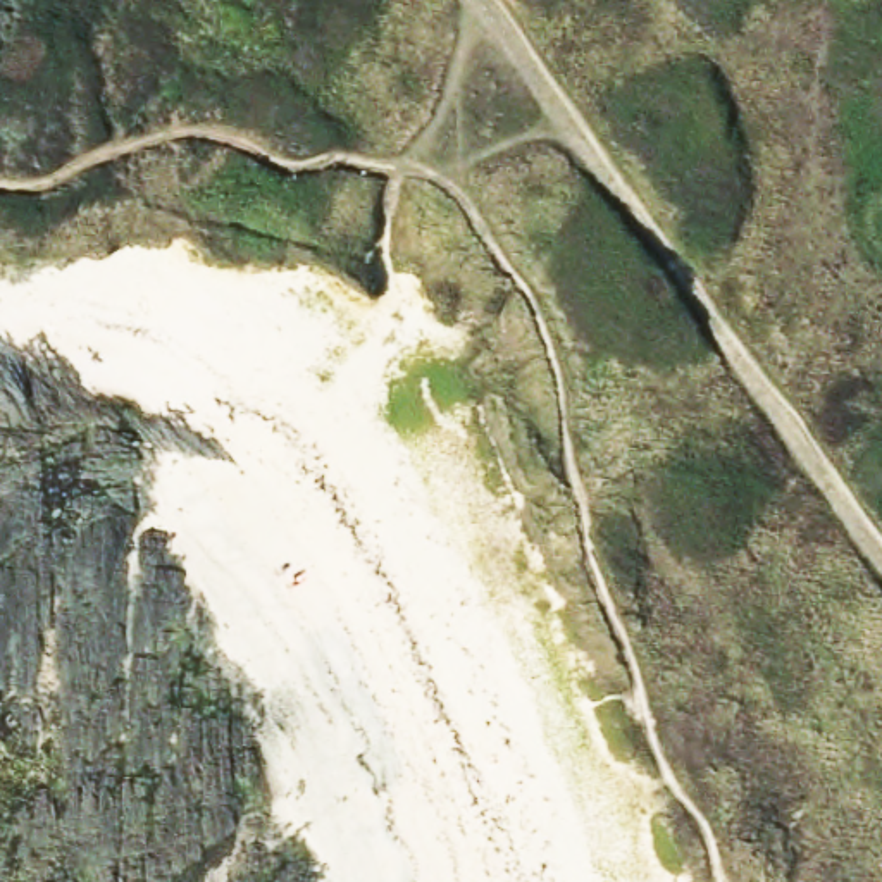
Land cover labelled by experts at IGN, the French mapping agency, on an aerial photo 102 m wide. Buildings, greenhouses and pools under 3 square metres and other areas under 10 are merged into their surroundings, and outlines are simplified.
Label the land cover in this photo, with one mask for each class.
<instances>
[{"label":"bare soil","instance_id":"1","mask_svg":"<svg viewBox=\"0 0 882 882\"><path fill-rule=\"evenodd\" d=\"M382 34L376 59L365 62V55L351 48L348 62L341 65L345 107L348 117L362 127V141L351 152L372 158H407L413 145L424 138V127H413L410 145H396L382 121L389 114H400L410 124L417 107L434 114L444 100L451 59L462 38V0H389L386 14L379 17ZM517 24L534 41L537 55L589 124L596 121L593 100L606 86H624L627 76H637L658 62L682 55H710L727 72L748 131V145L755 148V207L748 214L741 241L730 252L703 255L699 248H689L679 238L668 252L689 265L693 286L706 283L727 324L748 345L751 358L810 424L823 410V389L837 382V376H861L865 369L882 365V272L861 262L851 241L844 196L851 141L841 138V131L834 127L841 114L827 103L820 90L834 41V14L823 7H792L768 14L765 7H751L744 28L734 38H717L699 21L686 17L675 0H520L513 7ZM544 117L541 103L531 96L517 69L503 62L500 48L493 41H479L472 48L469 72L462 83V103L448 110V121L438 131L431 152L434 165L465 158L472 148L534 127ZM34 131V121L0 124V176H21V141ZM234 148L227 141L210 138H172L165 145H148L124 155L127 172L117 176V183L124 186V196L117 203L79 207L65 224L34 238L17 234L14 227L0 231V882H672V872L658 861L651 841V817L665 810V803L651 789V775L662 772L648 748L644 727L624 703H610L599 710L593 706V699L603 693L630 696L634 679L624 655V641L610 624L603 599L596 596L593 572L586 565V531L565 472V448L575 444V465L589 496L593 520L599 513L637 517L651 558L644 593L610 586L620 617L641 624L634 630V648L644 672L648 706L655 713L658 737L665 744L672 772L713 823L727 882H882V572L851 537L844 520L834 513L823 489L799 465L779 493H772L761 524L751 531L748 544L737 555L703 562L696 568L689 558H675L672 548L662 541L651 496L662 486V472L655 465L668 455V448L682 441L686 427H717L720 420L755 424L765 413L734 372L720 341L713 338V327L699 334L710 358L699 365H675L672 372H658L651 365H627L620 358L582 362L589 345L575 338L572 348H565V334H555L562 372L551 369L534 300L513 286V276L496 262L482 234L475 231L469 210L455 200L448 186L427 176H407L400 189V207L389 214L386 172L331 165L345 183L334 193L331 217L324 224L307 227V241H300V252H286V262L279 269H214L203 265L207 252L200 245L186 241L189 231L200 224L203 210L186 207L183 196L196 186H207L214 172L224 169ZM413 351H434L441 358H451L458 365L465 403L441 410V403L431 393V379H424L420 400L434 427L427 434H410L403 441L386 424V389L389 379H400V362ZM500 169H513L524 183L520 196L558 200L568 210L575 207L582 189L603 200L610 196V189L565 141H524L510 152L479 162L475 172L496 176ZM620 176L644 203L658 196L651 179L644 176V162L630 148L610 141L606 148Z\"/></svg>","mask_w":882,"mask_h":882},{"label":"herbaceous vegetation","instance_id":"2","mask_svg":"<svg viewBox=\"0 0 882 882\"><path fill-rule=\"evenodd\" d=\"M389 0H0V124L34 121V131L21 141V176L55 172L79 152L100 148L114 138H134L152 127H165L169 121L231 124L276 141L293 158L338 148L351 152L362 141V127L348 117L345 107L341 65L348 62L351 48L365 55V62L376 59L382 34L379 17L386 14ZM686 17L699 21L717 38H734L744 28L751 7H765L768 14L792 7H823L834 14V41L820 90L827 103L841 114L834 127L841 131V138L851 141L844 196L851 241L861 262L882 272V0H675ZM596 121L589 124L599 145L606 148L610 141L630 148L644 162V176L651 179L658 196L679 207V238L689 248H699L703 255L730 252L741 241L748 214L755 207V148L748 145V131L727 72L710 55H682L658 62L637 76H627L624 86H606L593 100ZM345 183L331 165L283 169L255 152L234 148L224 169L214 172L207 186H196L183 196L186 207L203 210L200 224L189 231L186 241L200 245L207 252L203 265L214 269H279L286 262V252H300V241H307V227L324 224L331 217L334 193ZM127 172L124 155L100 162L52 189H0V231L14 227L17 234L34 238L65 224L79 207L117 203L124 196V186L117 183V176ZM527 245L548 269V279L558 293V303L575 338L589 345L582 362L620 358L627 365H651L658 372H672L675 365H699L710 358L699 334L689 314L679 307L662 269L637 248V241L620 227V221L603 207V200L582 189L575 207L568 210L558 231H527ZM424 379H431V393L441 403V410L465 403L458 365L451 358H441L434 351H413L400 362V379H389L386 389V424L403 441L410 434H427L434 427L420 400ZM817 441L827 448L834 469L844 475L861 506L882 527V365L865 369L861 376H837V382L823 389V410L810 424ZM662 472V486L651 496L662 541L672 548L675 558H689L696 568L703 562L737 555L748 544L751 531L761 524L772 493H779L799 465L789 444L782 441L779 427L765 413L755 424L720 420L717 427H686L682 441L668 448V455L655 465ZM599 562L606 568L610 586L644 593L651 558L637 517L599 513L593 520Z\"/></svg>","mask_w":882,"mask_h":882},{"label":"pervious surface","instance_id":"3","mask_svg":"<svg viewBox=\"0 0 882 882\"><path fill-rule=\"evenodd\" d=\"M520 0H462V38L451 59L444 100L434 114L417 107L410 124L400 114H389L382 121L396 145H410L413 127H424V138L413 145L407 158H372L351 152L338 148L293 158L276 141L231 124L169 121L165 127H152L134 138H114L100 148L79 152L55 172L21 176H0V189H52L100 162L124 155L148 145H165L172 138H210L227 141L234 148L255 152L283 169L331 165L386 172L389 214L400 207V189L407 176H427L448 186L455 200L469 210L475 231L482 234L496 262L513 276V286L534 300L551 369L562 372L555 334H565V348H572L575 338L558 303V293L548 279V269L527 245V231H558L568 210L558 200L520 196L524 183L513 169H500L496 176L475 172L479 162L510 152L524 141H565L610 189V196L603 200V207L620 221V227L637 241V248L662 269L679 307L689 314L699 334L713 327V338L720 341L734 372L765 413L779 427L782 441L789 444L799 465L823 489L834 513L844 520L851 537L882 572V527L861 506L844 475L834 469L827 448L817 441L810 424L751 358L748 345L727 324L706 283L693 286L689 265L668 252L679 238V207L658 196L644 203L620 176L606 148L599 145L589 124L537 55L534 41L517 24L513 7ZM479 41H493L500 48L503 62L517 69L531 96L541 103L544 117L534 127L472 148L465 158L434 165L431 152L438 131L448 121V110L462 103V83L469 72L472 48ZM565 472L586 531V565L593 572L596 596L603 599L610 624L624 641V655L634 679L630 696L603 693L593 699V706L599 710L610 703H624L644 727L648 748L662 772L651 775V789L665 803V810L651 817V841L658 861L672 872V882H727L713 823L672 772L665 744L658 737L655 713L648 706L644 672L634 648V630L641 624L620 617L610 586L606 568L599 562L593 520L589 496L575 465V444L565 448Z\"/></svg>","mask_w":882,"mask_h":882}]
</instances>
